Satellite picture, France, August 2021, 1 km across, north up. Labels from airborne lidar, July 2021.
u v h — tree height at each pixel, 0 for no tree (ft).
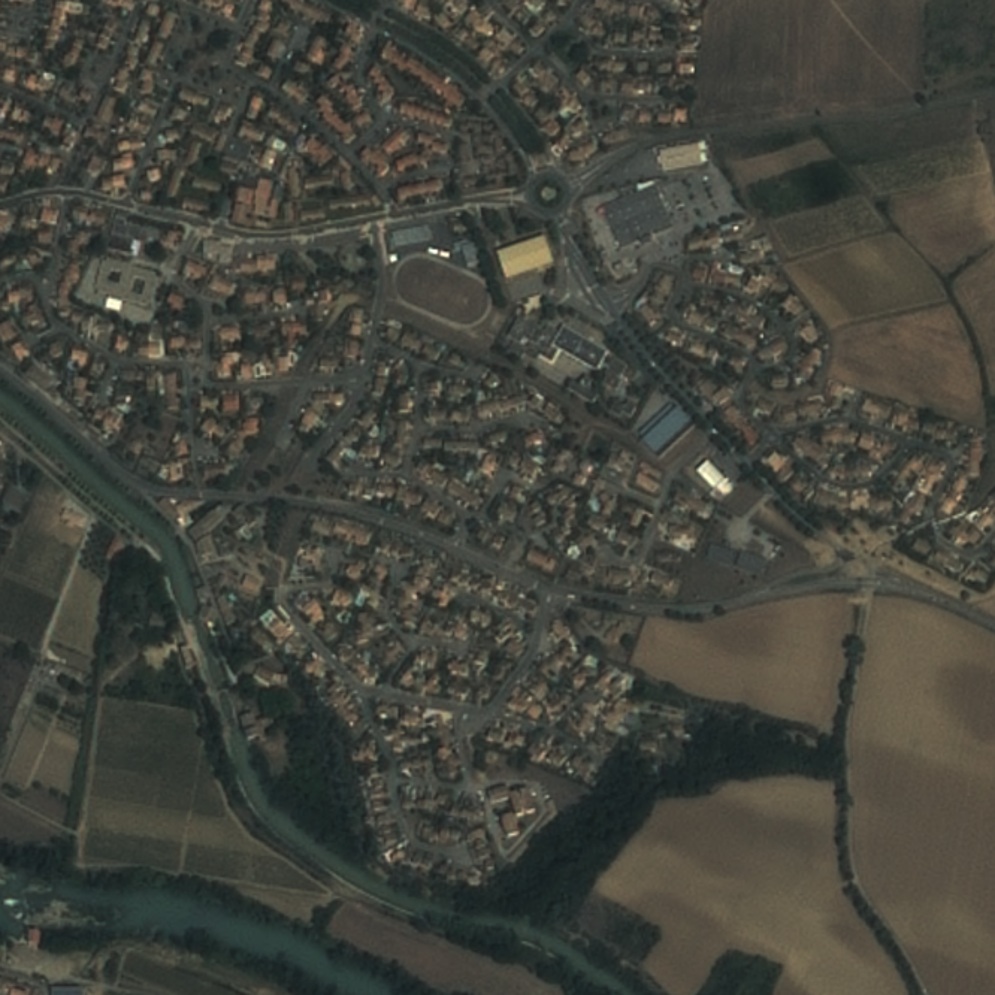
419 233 0
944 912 0
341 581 19
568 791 0
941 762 0
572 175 0
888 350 0
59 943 83
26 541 0
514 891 36
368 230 0
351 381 0
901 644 0
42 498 0
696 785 24
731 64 0
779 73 0
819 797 0
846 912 0
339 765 50
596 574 0
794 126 0
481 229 24
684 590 0
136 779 0
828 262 0
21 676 0
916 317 0
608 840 41
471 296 0
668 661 0
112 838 0
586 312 0
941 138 0
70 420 0
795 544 0
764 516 0
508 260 0
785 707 0
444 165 0
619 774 49
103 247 45
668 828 0
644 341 29
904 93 0
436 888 35
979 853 0
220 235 0
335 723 25
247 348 37
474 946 34
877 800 0
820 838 0
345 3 33
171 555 0
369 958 32
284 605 0
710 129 0
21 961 0
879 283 0
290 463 0
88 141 32
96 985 0
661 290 0
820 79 0
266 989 0
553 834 53
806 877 0
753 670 0
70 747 0
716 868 0
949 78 0
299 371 0
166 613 47
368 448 0
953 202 0
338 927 0
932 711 0
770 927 0
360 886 0
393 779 0
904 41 0
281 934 0
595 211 0
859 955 0
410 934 0
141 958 0
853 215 0
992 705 0
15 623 0
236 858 0
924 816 0
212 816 0
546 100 25
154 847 0
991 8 0
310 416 0
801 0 0
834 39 0
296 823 35
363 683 0
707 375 20
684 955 0
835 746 33
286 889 0
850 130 0
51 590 0
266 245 0
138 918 0
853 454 24
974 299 0
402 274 0
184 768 0
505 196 0
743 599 0
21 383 0
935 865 0
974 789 0
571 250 0
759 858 0
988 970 0
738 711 28
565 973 59
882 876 0
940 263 0
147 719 0
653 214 0
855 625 0
